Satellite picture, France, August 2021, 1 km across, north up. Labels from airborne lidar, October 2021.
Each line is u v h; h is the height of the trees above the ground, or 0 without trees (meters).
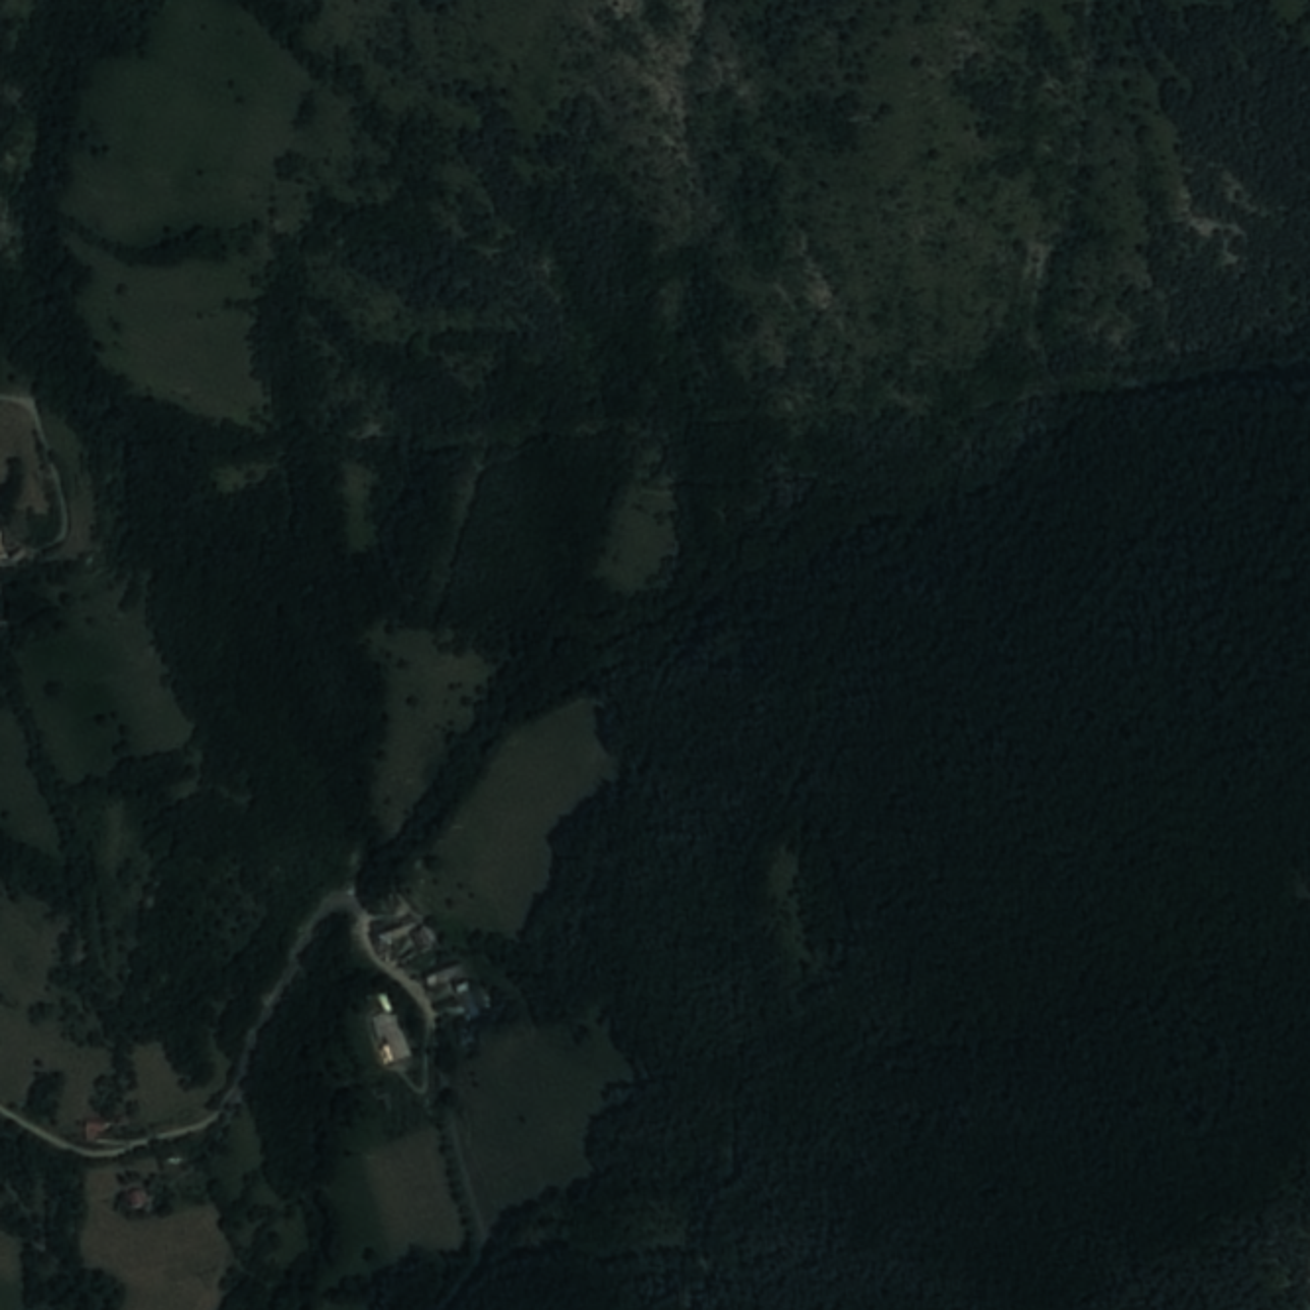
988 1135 16
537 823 0
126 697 0
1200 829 18
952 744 20
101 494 10
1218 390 18
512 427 12
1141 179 6
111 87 0
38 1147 10
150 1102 0
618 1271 15
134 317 0
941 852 20
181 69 0
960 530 19
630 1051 19
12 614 17
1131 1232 16
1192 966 19
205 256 22
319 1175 30
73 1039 6
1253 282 10
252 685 23
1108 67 11
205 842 15
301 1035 31
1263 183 8
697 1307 6
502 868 0
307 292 8
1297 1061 21
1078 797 18
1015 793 20
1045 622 22
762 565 31
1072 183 8
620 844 14
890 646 21
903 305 6
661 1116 15
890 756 19
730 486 19
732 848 15
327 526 13
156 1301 0
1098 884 22
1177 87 14
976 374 8
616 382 18
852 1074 18
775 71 10
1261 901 15
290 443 11
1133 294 9
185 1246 0
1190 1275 24
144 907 9
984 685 18
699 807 16
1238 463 23
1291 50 13
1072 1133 15
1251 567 23
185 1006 12
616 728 19
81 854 8
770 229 8
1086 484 21
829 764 16
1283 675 17
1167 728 19
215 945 8
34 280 18
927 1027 17
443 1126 10
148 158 0
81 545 0
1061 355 7
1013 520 22
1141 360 17
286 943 10
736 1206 13
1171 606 23
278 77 0
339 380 8
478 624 18
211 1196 11
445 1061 15
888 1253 13
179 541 29
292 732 25
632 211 8
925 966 20
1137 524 20
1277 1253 17
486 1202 0
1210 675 22
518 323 8
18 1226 9
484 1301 17
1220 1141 19
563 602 26
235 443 13
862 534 27
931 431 12
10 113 10
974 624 22
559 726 0
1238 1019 20
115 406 21
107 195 0
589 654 22
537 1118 0
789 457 12
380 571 9
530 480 19
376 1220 0
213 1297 0
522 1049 0
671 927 12
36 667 0
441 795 21
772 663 25
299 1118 31
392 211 10
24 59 11
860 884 17
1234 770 21
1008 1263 20
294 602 10
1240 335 10
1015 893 20
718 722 18
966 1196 19
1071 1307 18
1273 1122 18
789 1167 16
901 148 0
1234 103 14
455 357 10
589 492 23
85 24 10
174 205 0
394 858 20
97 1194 0
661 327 8
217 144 0
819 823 17
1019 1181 17
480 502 10
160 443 22
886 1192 17
